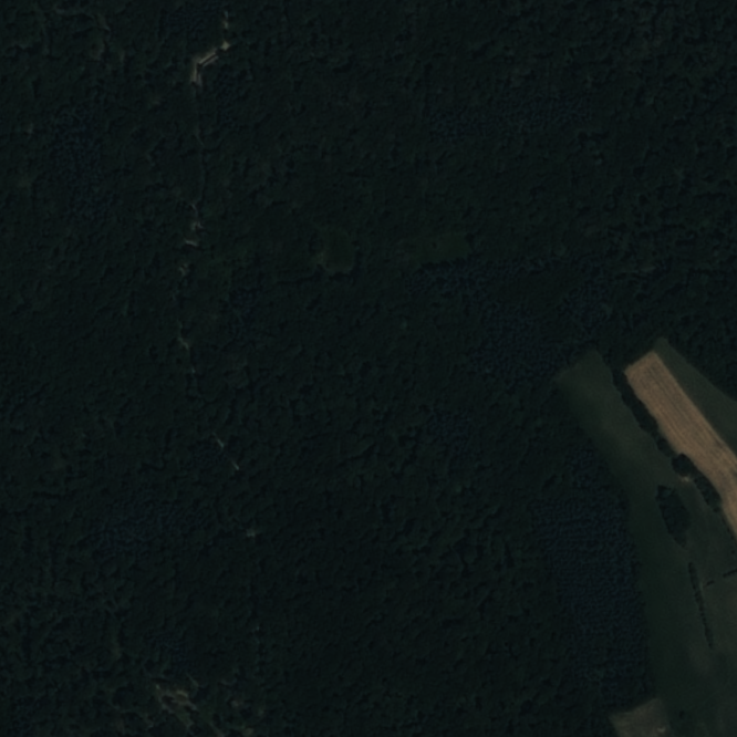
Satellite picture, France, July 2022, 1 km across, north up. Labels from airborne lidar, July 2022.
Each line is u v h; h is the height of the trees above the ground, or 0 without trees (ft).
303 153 68
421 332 92
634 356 52
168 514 90
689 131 76
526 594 97
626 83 93
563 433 89
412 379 81
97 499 74
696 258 82
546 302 62
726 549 0
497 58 58
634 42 102
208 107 73
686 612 0
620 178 94
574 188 71
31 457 61
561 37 84
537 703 110
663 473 0
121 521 88
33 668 92
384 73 60
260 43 75
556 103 75
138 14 71
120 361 83
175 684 94
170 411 91
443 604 95
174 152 63
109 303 82
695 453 0
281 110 68
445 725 89
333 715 100
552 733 107
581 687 67
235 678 90
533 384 80
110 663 89
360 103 72
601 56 88
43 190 64
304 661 88
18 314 71
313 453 101
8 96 93
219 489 90
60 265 82
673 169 87
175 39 89
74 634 72
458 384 93
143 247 86
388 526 96
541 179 81
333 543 77
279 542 77
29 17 88
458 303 77
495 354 93
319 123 81
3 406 58
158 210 67
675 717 0
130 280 72
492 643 112
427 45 55
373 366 85
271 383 93
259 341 78
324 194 75
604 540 95
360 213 82
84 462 86
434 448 102
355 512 108
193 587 92
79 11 82
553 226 86
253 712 92
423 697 83
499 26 71
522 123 82
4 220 91
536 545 68
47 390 78
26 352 56
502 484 75
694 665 0
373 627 92
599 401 0
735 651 0
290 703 93
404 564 105
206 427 71
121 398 86
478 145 68
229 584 99
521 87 78
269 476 94
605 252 63
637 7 95
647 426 61
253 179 73
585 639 81
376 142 72
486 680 105
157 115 72
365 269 64
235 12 67
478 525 99
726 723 0
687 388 0
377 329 91
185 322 74
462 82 81
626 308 67
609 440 0
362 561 94
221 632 90
